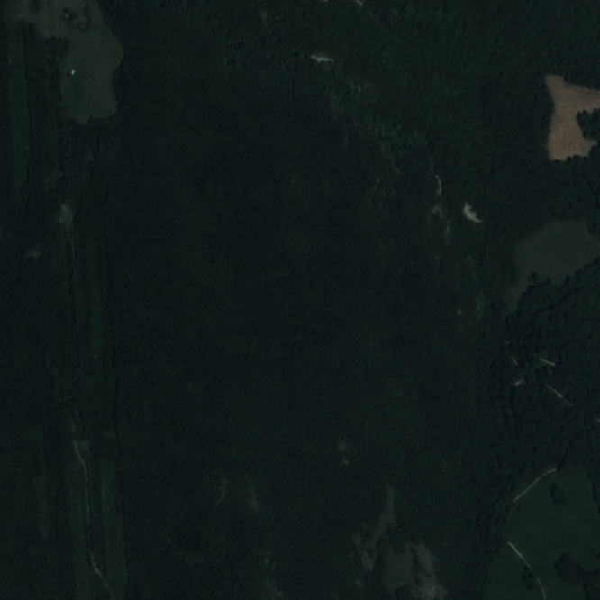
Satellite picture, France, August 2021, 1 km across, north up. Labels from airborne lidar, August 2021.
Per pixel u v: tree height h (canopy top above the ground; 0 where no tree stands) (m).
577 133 0
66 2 0
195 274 9
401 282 18
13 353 24
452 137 16
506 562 0
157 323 18
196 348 17
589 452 19
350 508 16
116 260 22
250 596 9
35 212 16
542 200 23
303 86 21
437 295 15
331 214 12
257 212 16
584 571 13
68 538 15
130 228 19
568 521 0
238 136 13
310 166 10
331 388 14
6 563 14
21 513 20
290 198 11
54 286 17
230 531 11
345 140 8
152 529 16
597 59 10
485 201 13
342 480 14
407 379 8
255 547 13
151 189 14
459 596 10
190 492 16
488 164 15
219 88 11
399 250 16
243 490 7
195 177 17
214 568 17
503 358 20
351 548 6
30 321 12
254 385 18
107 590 10
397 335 17
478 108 20
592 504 0
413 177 17
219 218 17
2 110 16
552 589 0
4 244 25
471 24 18
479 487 29
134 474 13
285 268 17
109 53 0
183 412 17
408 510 15
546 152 19
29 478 18
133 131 17
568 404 22
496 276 20
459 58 11
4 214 25
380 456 11
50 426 10
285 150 9
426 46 12
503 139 21
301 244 7
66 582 14
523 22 13
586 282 17
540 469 18
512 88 19
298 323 18
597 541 0
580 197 21
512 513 13
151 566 18
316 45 14
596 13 9
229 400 18
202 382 19
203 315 15
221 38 21
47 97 6
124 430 21
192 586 18
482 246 14
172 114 12
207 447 13
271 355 19
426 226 9
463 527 8
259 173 16
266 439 11
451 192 13
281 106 12
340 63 16
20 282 19
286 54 26
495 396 28
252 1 14
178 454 17
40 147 11
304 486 11
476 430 18
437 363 15
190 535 7
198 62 9
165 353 19
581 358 18
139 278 23
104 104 0
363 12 8
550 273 0
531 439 21
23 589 14
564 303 19
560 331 21
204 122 18
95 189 6
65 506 16
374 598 8
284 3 11
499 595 0
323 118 12
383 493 6
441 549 7
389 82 11
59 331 8
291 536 14
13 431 22
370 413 6
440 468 9
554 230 0
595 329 18
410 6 21
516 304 0
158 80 12
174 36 10
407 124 17
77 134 9
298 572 15
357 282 15
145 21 14
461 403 13
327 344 19
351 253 17
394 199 10
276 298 21
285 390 11
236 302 14
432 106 16
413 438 11
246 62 16
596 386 19
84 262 19
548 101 19
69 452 12
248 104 13
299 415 12
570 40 13
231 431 10
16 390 25
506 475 25
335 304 17
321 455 8
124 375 21
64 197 17
